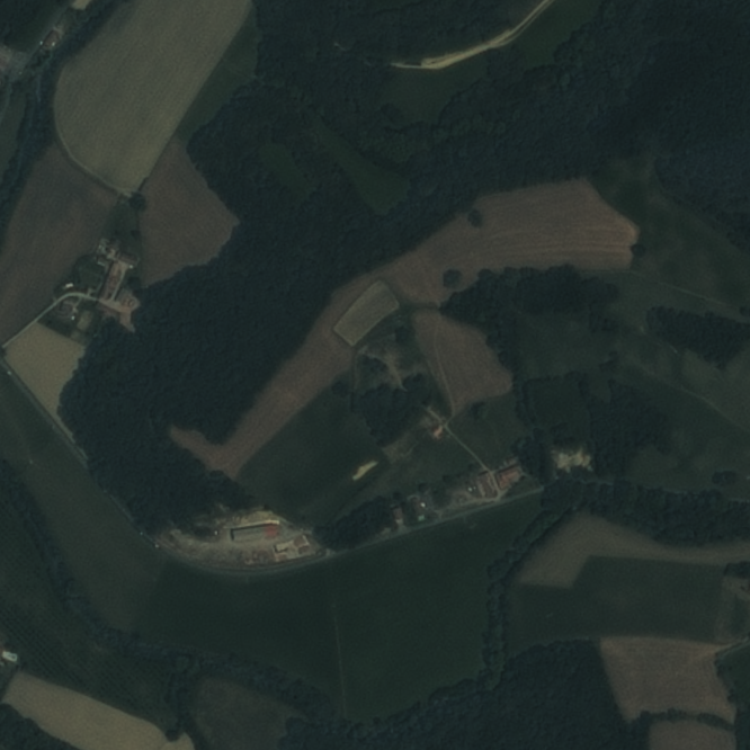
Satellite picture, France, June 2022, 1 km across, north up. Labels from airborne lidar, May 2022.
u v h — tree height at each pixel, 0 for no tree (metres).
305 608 0
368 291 0
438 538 0
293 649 0
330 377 0
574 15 0
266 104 18
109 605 0
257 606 0
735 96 24
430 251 0
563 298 23
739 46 37
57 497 0
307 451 0
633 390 12
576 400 0
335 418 0
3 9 31
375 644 0
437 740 16
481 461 0
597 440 12
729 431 0
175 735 16
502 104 14
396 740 25
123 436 22
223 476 18
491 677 27
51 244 0
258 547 0
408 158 23
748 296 0
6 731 19
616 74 25
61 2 13
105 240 0
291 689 14
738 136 6
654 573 0
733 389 0
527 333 0
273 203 25
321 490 0
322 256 20
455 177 27
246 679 8
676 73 29
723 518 16
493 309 17
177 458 24
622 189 0
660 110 18
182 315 26
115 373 29
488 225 0
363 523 18
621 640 0
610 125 27
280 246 24
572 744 19
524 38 0
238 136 20
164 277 0
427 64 0
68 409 21
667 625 0
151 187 0
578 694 22
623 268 0
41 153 15
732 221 10
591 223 0
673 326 24
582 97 29
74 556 0
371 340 0
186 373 21
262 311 27
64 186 0
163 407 24
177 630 0
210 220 0
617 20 22
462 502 0
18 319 0
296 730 24
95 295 8
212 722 0
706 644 0
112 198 0
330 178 20
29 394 0
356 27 25
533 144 26
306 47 23
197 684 6
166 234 0
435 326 0
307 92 20
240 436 0
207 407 24
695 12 31
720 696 0
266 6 16
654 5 27
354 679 0
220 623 0
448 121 18
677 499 23
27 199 0
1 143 0
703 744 0
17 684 0
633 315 0
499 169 20
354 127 20
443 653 0
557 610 0
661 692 0
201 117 0
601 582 0
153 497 26
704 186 16
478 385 0
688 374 0
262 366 20
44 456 0
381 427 23
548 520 19
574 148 28
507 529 0
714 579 0
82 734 0
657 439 19
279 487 0
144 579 0
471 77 0
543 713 13
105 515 0
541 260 0
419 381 15
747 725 14
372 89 17
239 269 22
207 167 18
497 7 20
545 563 0
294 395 0
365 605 0
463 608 0
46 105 12
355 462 0
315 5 27
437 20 19
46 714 0
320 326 0
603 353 0
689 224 0
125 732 0
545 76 20
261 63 11
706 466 0
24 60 0
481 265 0
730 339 18
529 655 15
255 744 0
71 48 11
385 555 0
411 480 0
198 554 0
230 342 27
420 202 20
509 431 0
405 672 0
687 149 12
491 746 14
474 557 0
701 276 0
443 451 0
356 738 15
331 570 0
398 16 15
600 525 0
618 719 13
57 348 0
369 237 27
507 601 9
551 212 0
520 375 14
